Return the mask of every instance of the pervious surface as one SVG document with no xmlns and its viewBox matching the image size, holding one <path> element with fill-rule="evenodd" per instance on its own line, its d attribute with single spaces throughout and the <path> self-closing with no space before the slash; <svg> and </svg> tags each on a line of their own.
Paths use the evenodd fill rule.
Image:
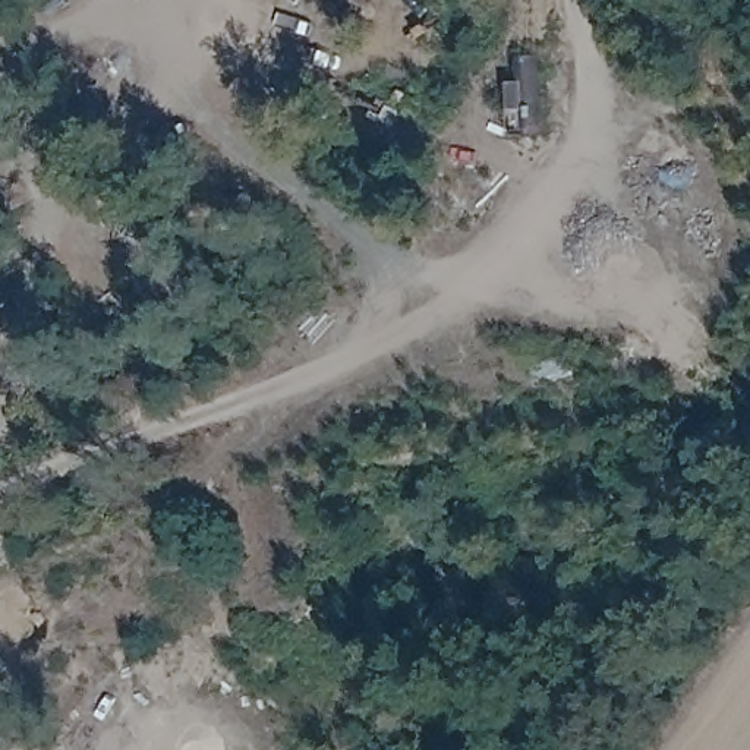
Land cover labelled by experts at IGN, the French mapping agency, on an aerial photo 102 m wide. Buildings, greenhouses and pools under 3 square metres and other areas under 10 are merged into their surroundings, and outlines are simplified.
<svg viewBox="0 0 750 750">
<path fill-rule="evenodd" d="M 126 724 L 120 729 L 105 729 L 97 738 L 103 750 L 252 750 L 255 738 L 249 727 L 220 724 L 217 709 L 202 709 L 202 703 L 185 700 L 182 706 L 167 712 L 152 709 L 141 718 L 135 729 Z"/>
<path fill-rule="evenodd" d="M 15 384 L 0 375 L 0 454 L 12 451 L 18 442 L 3 422 L 3 398 L 15 401 Z"/>
<path fill-rule="evenodd" d="M 352 6 L 372 21 L 372 29 L 363 32 L 363 44 L 354 53 L 340 56 L 340 50 L 334 47 L 331 23 L 343 23 Z M 56 56 L 64 64 L 59 82 L 64 82 L 73 73 L 82 73 L 76 67 L 73 44 L 82 47 L 88 38 L 111 38 L 120 44 L 132 44 L 138 50 L 141 67 L 155 62 L 155 76 L 146 88 L 123 82 L 120 94 L 108 94 L 108 114 L 103 114 L 100 123 L 105 129 L 117 129 L 120 123 L 135 126 L 152 105 L 158 105 L 170 114 L 190 117 L 196 129 L 208 144 L 220 149 L 223 158 L 231 167 L 246 170 L 252 179 L 267 182 L 270 190 L 287 193 L 290 202 L 296 202 L 311 217 L 311 223 L 319 229 L 319 240 L 328 249 L 343 249 L 346 243 L 352 246 L 352 267 L 357 270 L 357 278 L 366 284 L 366 293 L 360 299 L 360 313 L 352 325 L 352 337 L 346 346 L 275 378 L 261 378 L 246 387 L 220 393 L 211 401 L 193 401 L 176 410 L 176 416 L 170 419 L 149 419 L 138 404 L 135 410 L 120 416 L 120 431 L 103 437 L 97 434 L 73 454 L 53 451 L 50 457 L 29 463 L 26 472 L 0 472 L 0 495 L 32 489 L 41 495 L 41 486 L 50 478 L 67 475 L 79 466 L 79 460 L 94 463 L 103 451 L 111 454 L 111 448 L 117 448 L 120 454 L 149 454 L 152 442 L 193 431 L 202 425 L 226 422 L 231 416 L 246 416 L 255 407 L 270 407 L 305 396 L 311 390 L 322 390 L 334 381 L 349 378 L 352 372 L 378 357 L 398 354 L 404 346 L 416 340 L 439 337 L 439 331 L 445 331 L 454 322 L 478 322 L 536 319 L 554 328 L 592 331 L 627 325 L 624 346 L 615 352 L 612 366 L 624 366 L 636 357 L 659 357 L 671 366 L 674 387 L 680 393 L 694 393 L 700 393 L 706 381 L 715 381 L 721 375 L 721 366 L 715 366 L 706 354 L 709 337 L 703 319 L 686 308 L 686 299 L 680 293 L 683 275 L 668 275 L 656 249 L 650 249 L 647 243 L 636 249 L 633 237 L 624 234 L 630 229 L 630 220 L 609 208 L 609 202 L 621 190 L 618 146 L 633 132 L 630 126 L 612 123 L 618 82 L 595 44 L 589 18 L 583 15 L 563 26 L 560 35 L 574 47 L 577 88 L 574 117 L 571 126 L 565 126 L 565 144 L 554 167 L 533 185 L 530 196 L 521 205 L 516 205 L 513 211 L 501 208 L 498 220 L 486 231 L 480 231 L 463 252 L 448 258 L 428 258 L 416 255 L 410 246 L 401 249 L 375 240 L 366 217 L 346 214 L 331 199 L 319 199 L 296 176 L 296 170 L 290 170 L 284 161 L 270 161 L 270 152 L 261 152 L 255 144 L 249 144 L 249 126 L 234 111 L 234 97 L 249 100 L 252 105 L 267 105 L 270 100 L 287 103 L 299 91 L 299 76 L 311 56 L 319 67 L 334 73 L 363 70 L 372 59 L 410 59 L 413 64 L 428 64 L 434 62 L 437 50 L 442 50 L 442 38 L 431 26 L 422 26 L 428 18 L 422 15 L 425 0 L 50 0 L 44 12 L 35 12 L 38 29 L 26 29 L 15 44 L 0 50 L 0 73 L 6 73 L 18 85 L 18 94 L 26 94 L 38 82 L 41 64 Z"/>
<path fill-rule="evenodd" d="M 0 334 L 9 337 L 18 322 L 26 322 L 41 305 L 38 296 L 26 287 L 23 275 L 9 264 L 0 267 Z"/>
<path fill-rule="evenodd" d="M 35 662 L 35 650 L 47 636 L 47 627 L 41 627 L 38 615 L 29 615 L 29 598 L 21 589 L 18 577 L 0 577 L 0 680 L 21 686 L 41 671 L 41 665 Z"/>
</svg>

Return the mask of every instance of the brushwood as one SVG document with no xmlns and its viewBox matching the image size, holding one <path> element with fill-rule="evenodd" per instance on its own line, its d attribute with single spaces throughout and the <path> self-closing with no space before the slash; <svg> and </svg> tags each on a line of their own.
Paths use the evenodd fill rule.
<svg viewBox="0 0 750 750">
<path fill-rule="evenodd" d="M 366 284 L 357 278 L 357 270 L 352 267 L 352 246 L 346 243 L 343 249 L 328 249 L 319 240 L 316 246 L 322 255 L 322 267 L 316 270 L 316 281 L 328 281 L 337 296 L 360 299 L 366 293 Z"/>
<path fill-rule="evenodd" d="M 495 67 L 495 79 L 483 88 L 483 103 L 495 111 L 495 123 L 510 138 L 548 138 L 548 82 L 554 76 L 554 62 L 563 59 L 557 50 L 560 35 L 563 26 L 560 15 L 548 12 L 542 38 L 510 41 L 507 64 Z"/>
<path fill-rule="evenodd" d="M 340 50 L 340 56 L 354 53 L 363 44 L 363 32 L 372 29 L 372 21 L 352 6 L 343 23 L 331 23 L 334 47 Z"/>
<path fill-rule="evenodd" d="M 527 390 L 524 384 L 498 375 L 498 398 L 486 401 L 475 419 L 478 434 L 486 439 L 501 431 L 527 434 L 551 431 L 560 425 L 577 431 L 592 428 L 598 419 L 604 419 L 604 407 L 574 407 L 571 378 L 542 378 L 539 387 Z"/>
<path fill-rule="evenodd" d="M 413 64 L 410 59 L 372 59 L 363 70 L 334 73 L 319 67 L 311 56 L 299 76 L 299 91 L 331 91 L 337 105 L 343 108 L 343 120 L 352 126 L 352 105 L 366 108 L 366 117 L 372 120 L 387 120 L 393 114 L 401 103 L 401 94 L 416 79 L 428 79 L 428 64 Z"/>
<path fill-rule="evenodd" d="M 79 460 L 79 466 L 67 475 L 82 486 L 82 498 L 88 501 L 88 507 L 100 513 L 105 510 L 111 521 L 117 524 L 117 533 L 129 530 L 132 524 L 146 530 L 149 510 L 144 501 L 149 489 L 179 480 L 179 463 L 202 460 L 202 439 L 193 431 L 152 442 L 149 454 L 120 454 L 117 448 L 111 448 L 111 454 L 103 451 L 94 463 Z"/>
<path fill-rule="evenodd" d="M 683 439 L 703 437 L 709 428 L 735 428 L 738 416 L 750 416 L 750 378 L 741 378 L 738 372 L 729 375 L 732 407 L 724 410 L 700 393 L 694 393 L 694 407 L 688 410 L 686 425 L 677 431 L 677 437 Z"/>
</svg>

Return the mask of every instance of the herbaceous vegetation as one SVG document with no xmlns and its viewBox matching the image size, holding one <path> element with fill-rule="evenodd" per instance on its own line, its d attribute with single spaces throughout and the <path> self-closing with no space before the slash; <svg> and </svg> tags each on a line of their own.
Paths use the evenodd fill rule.
<svg viewBox="0 0 750 750">
<path fill-rule="evenodd" d="M 105 223 L 91 223 L 82 214 L 73 214 L 64 205 L 59 205 L 53 196 L 44 196 L 32 176 L 38 164 L 35 152 L 26 149 L 18 138 L 0 141 L 0 190 L 12 208 L 32 208 L 18 226 L 29 237 L 29 243 L 9 264 L 23 275 L 32 270 L 44 272 L 50 258 L 64 264 L 73 284 L 64 287 L 62 296 L 38 296 L 41 305 L 26 322 L 35 322 L 41 331 L 59 331 L 70 325 L 76 331 L 91 331 L 100 337 L 108 328 L 120 328 L 123 316 L 135 313 L 138 305 L 164 302 L 167 293 L 158 281 L 149 281 L 146 275 L 138 275 L 132 270 L 132 249 L 141 237 L 132 234 L 132 226 L 123 226 L 111 237 Z"/>
<path fill-rule="evenodd" d="M 633 132 L 618 146 L 621 190 L 609 202 L 609 208 L 630 220 L 630 229 L 624 234 L 633 237 L 636 249 L 647 243 L 650 249 L 656 249 L 668 275 L 683 275 L 680 293 L 686 299 L 686 308 L 703 319 L 709 337 L 732 334 L 729 328 L 718 325 L 718 319 L 721 313 L 738 305 L 738 287 L 747 281 L 750 270 L 750 190 L 744 182 L 721 188 L 718 173 L 712 167 L 712 155 L 703 146 L 703 141 L 686 141 L 683 123 L 674 123 L 677 111 L 694 105 L 732 105 L 735 94 L 729 79 L 721 73 L 721 62 L 727 62 L 735 50 L 732 44 L 703 44 L 700 88 L 694 94 L 677 97 L 674 103 L 630 94 L 618 82 L 612 123 L 630 126 Z"/>
<path fill-rule="evenodd" d="M 287 193 L 270 190 L 267 182 L 252 179 L 246 170 L 231 167 L 223 158 L 208 161 L 208 170 L 190 188 L 188 199 L 196 208 L 249 214 L 258 202 L 278 208 L 287 208 L 290 202 Z"/>
<path fill-rule="evenodd" d="M 88 38 L 82 47 L 73 44 L 76 67 L 82 73 L 73 73 L 64 82 L 59 82 L 56 91 L 64 97 L 67 111 L 76 117 L 76 123 L 100 123 L 103 114 L 108 114 L 108 94 L 120 94 L 123 82 L 146 88 L 155 76 L 155 62 L 141 67 L 138 50 L 132 44 L 120 44 L 111 38 Z"/>
<path fill-rule="evenodd" d="M 577 492 L 601 495 L 604 486 L 598 486 L 592 472 L 568 469 L 565 463 L 560 463 L 548 466 L 542 489 L 533 495 L 536 504 L 577 501 Z"/>
<path fill-rule="evenodd" d="M 683 478 L 680 466 L 668 466 L 662 472 L 650 472 L 647 483 L 642 486 L 647 498 L 674 489 L 674 483 Z"/>
<path fill-rule="evenodd" d="M 255 738 L 252 750 L 337 750 L 331 744 L 331 735 L 349 724 L 349 706 L 360 703 L 360 691 L 366 686 L 363 680 L 343 680 L 340 700 L 334 703 L 334 718 L 319 718 L 316 712 L 290 715 L 287 703 L 278 703 L 275 697 L 246 697 L 246 688 L 237 683 L 234 671 L 229 671 L 217 659 L 214 639 L 229 636 L 229 609 L 240 604 L 252 604 L 264 612 L 284 612 L 290 615 L 290 621 L 313 618 L 316 630 L 337 636 L 340 642 L 372 647 L 381 645 L 381 636 L 393 636 L 396 630 L 410 624 L 422 624 L 431 615 L 439 615 L 442 621 L 469 618 L 489 633 L 513 630 L 519 618 L 527 621 L 527 627 L 539 627 L 542 621 L 548 621 L 557 609 L 560 586 L 542 580 L 539 568 L 533 574 L 519 574 L 513 565 L 504 565 L 483 577 L 463 577 L 457 565 L 428 563 L 425 554 L 416 548 L 393 551 L 381 568 L 354 568 L 346 586 L 337 580 L 325 580 L 322 595 L 313 595 L 308 601 L 281 598 L 281 592 L 272 583 L 272 571 L 284 571 L 296 563 L 293 548 L 305 548 L 305 533 L 293 527 L 284 504 L 287 498 L 302 501 L 311 483 L 319 483 L 319 466 L 305 463 L 316 439 L 316 431 L 331 431 L 337 419 L 349 413 L 349 404 L 390 407 L 398 398 L 398 390 L 404 387 L 404 378 L 410 372 L 416 372 L 419 378 L 439 375 L 445 381 L 466 384 L 478 401 L 486 401 L 498 398 L 498 375 L 524 384 L 527 390 L 539 387 L 542 378 L 571 378 L 571 369 L 563 369 L 554 360 L 536 363 L 533 357 L 516 357 L 510 349 L 483 343 L 478 334 L 478 322 L 454 322 L 445 331 L 439 331 L 439 337 L 416 340 L 404 346 L 398 354 L 378 357 L 352 372 L 349 378 L 334 381 L 322 390 L 311 390 L 305 396 L 270 407 L 255 407 L 246 416 L 231 416 L 226 422 L 202 425 L 193 431 L 202 439 L 202 460 L 179 463 L 179 480 L 149 489 L 144 501 L 149 510 L 173 513 L 182 498 L 202 501 L 211 513 L 217 513 L 217 519 L 240 524 L 246 557 L 240 574 L 223 592 L 214 592 L 202 583 L 196 586 L 190 574 L 185 592 L 176 592 L 167 604 L 158 604 L 146 592 L 146 577 L 176 574 L 179 563 L 161 560 L 149 565 L 152 536 L 146 530 L 132 524 L 129 530 L 117 533 L 117 524 L 111 521 L 105 521 L 103 530 L 85 542 L 62 542 L 44 554 L 32 554 L 15 563 L 6 557 L 6 542 L 0 536 L 0 577 L 18 577 L 21 589 L 29 598 L 29 615 L 38 615 L 41 627 L 47 627 L 47 636 L 35 650 L 35 662 L 41 665 L 41 671 L 21 686 L 21 694 L 29 706 L 41 703 L 44 691 L 56 694 L 59 712 L 64 718 L 59 727 L 59 744 L 53 750 L 103 750 L 97 738 L 105 729 L 120 729 L 126 724 L 135 729 L 141 718 L 152 709 L 167 712 L 182 706 L 185 700 L 202 703 L 202 709 L 217 709 L 220 724 L 249 727 Z M 53 601 L 44 586 L 47 571 L 59 563 L 76 563 L 88 557 L 103 560 L 105 568 L 94 577 L 76 577 L 67 589 L 67 598 Z M 419 595 L 413 601 L 381 609 L 375 595 L 396 583 L 416 586 Z M 123 615 L 155 615 L 182 639 L 161 645 L 149 662 L 126 665 L 117 636 L 117 618 Z"/>
<path fill-rule="evenodd" d="M 469 750 L 463 744 L 463 735 L 448 732 L 442 715 L 437 715 L 422 724 L 419 750 Z"/>
<path fill-rule="evenodd" d="M 360 313 L 360 299 L 337 296 L 328 299 L 322 313 L 316 316 L 305 316 L 293 325 L 272 325 L 272 340 L 270 349 L 261 354 L 261 363 L 255 369 L 229 372 L 229 381 L 220 387 L 220 393 L 246 387 L 261 378 L 275 378 L 346 346 L 352 337 L 352 325 Z"/>
<path fill-rule="evenodd" d="M 483 103 L 483 88 L 495 79 L 495 67 L 507 64 L 510 41 L 542 38 L 548 12 L 560 15 L 563 26 L 583 15 L 577 0 L 516 0 L 510 23 L 498 38 L 498 47 L 486 53 L 486 70 L 475 70 L 475 76 L 469 76 L 469 94 L 463 97 L 463 105 L 434 138 L 428 138 L 428 132 L 422 132 L 413 120 L 393 114 L 387 120 L 372 120 L 366 117 L 366 108 L 352 105 L 352 126 L 357 135 L 352 146 L 354 161 L 363 167 L 387 149 L 398 149 L 407 158 L 419 158 L 428 146 L 437 158 L 434 179 L 422 188 L 431 196 L 428 226 L 422 226 L 410 246 L 416 255 L 428 258 L 448 258 L 463 252 L 480 231 L 486 231 L 498 220 L 501 208 L 513 211 L 516 205 L 521 205 L 530 196 L 533 185 L 554 167 L 565 144 L 565 126 L 571 126 L 574 117 L 577 88 L 574 47 L 560 35 L 557 50 L 563 59 L 554 62 L 554 76 L 548 82 L 548 138 L 510 138 L 495 123 L 495 111 Z"/>
<path fill-rule="evenodd" d="M 188 138 L 196 129 L 190 117 L 170 114 L 158 105 L 152 105 L 135 126 L 144 132 L 144 138 L 155 138 L 161 146 L 167 144 L 167 135 L 176 132 L 179 138 Z"/>
</svg>

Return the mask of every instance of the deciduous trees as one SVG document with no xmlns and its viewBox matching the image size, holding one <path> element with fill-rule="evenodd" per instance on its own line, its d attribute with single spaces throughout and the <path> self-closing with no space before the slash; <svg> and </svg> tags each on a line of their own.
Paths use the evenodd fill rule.
<svg viewBox="0 0 750 750">
<path fill-rule="evenodd" d="M 44 12 L 50 0 L 0 0 L 0 50 L 15 44 L 26 29 L 38 29 L 35 12 Z"/>
<path fill-rule="evenodd" d="M 401 94 L 401 103 L 393 114 L 413 120 L 422 132 L 428 132 L 428 138 L 434 138 L 463 105 L 463 97 L 469 94 L 469 76 L 475 76 L 475 70 L 486 70 L 486 53 L 498 47 L 498 38 L 510 23 L 516 0 L 425 0 L 422 15 L 428 18 L 422 26 L 431 26 L 442 38 L 442 50 L 437 50 L 434 62 L 428 64 L 428 79 L 416 79 Z"/>
<path fill-rule="evenodd" d="M 428 226 L 431 196 L 422 188 L 434 179 L 437 158 L 428 146 L 419 158 L 407 158 L 398 149 L 387 149 L 363 167 L 354 161 L 352 146 L 357 135 L 352 126 L 343 120 L 343 108 L 337 105 L 331 91 L 299 91 L 287 103 L 270 100 L 267 105 L 252 105 L 249 100 L 234 97 L 234 111 L 249 126 L 249 144 L 255 144 L 261 152 L 270 152 L 270 161 L 284 161 L 290 170 L 296 170 L 296 176 L 319 199 L 331 199 L 346 214 L 366 217 L 375 240 L 401 249 L 410 246 L 422 226 Z"/>
<path fill-rule="evenodd" d="M 700 88 L 703 44 L 732 44 L 735 50 L 727 62 L 721 62 L 721 73 L 729 79 L 735 94 L 732 105 L 694 105 L 677 111 L 674 123 L 683 123 L 686 141 L 703 141 L 703 146 L 712 155 L 712 167 L 718 173 L 721 188 L 744 182 L 750 190 L 750 0 L 577 0 L 583 15 L 589 18 L 595 44 L 618 82 L 630 94 L 674 103 L 677 97 L 694 94 Z"/>
<path fill-rule="evenodd" d="M 126 665 L 149 662 L 161 645 L 182 639 L 155 615 L 123 615 L 117 618 L 117 636 Z"/>
<path fill-rule="evenodd" d="M 0 190 L 0 267 L 9 264 L 29 243 L 29 237 L 18 226 L 32 208 L 12 208 Z"/>
<path fill-rule="evenodd" d="M 416 586 L 396 583 L 375 595 L 381 609 L 413 601 L 419 595 Z"/>
<path fill-rule="evenodd" d="M 404 378 L 404 387 L 398 390 L 398 398 L 390 407 L 349 404 L 349 413 L 337 419 L 331 431 L 316 431 L 316 439 L 305 463 L 319 466 L 319 483 L 311 483 L 302 501 L 287 498 L 284 504 L 293 527 L 305 533 L 305 548 L 293 548 L 296 563 L 284 571 L 272 571 L 272 583 L 281 592 L 281 598 L 308 601 L 313 595 L 322 595 L 325 580 L 337 580 L 346 586 L 354 568 L 381 568 L 393 551 L 416 548 L 425 554 L 428 563 L 457 565 L 463 577 L 483 577 L 504 565 L 513 565 L 519 574 L 533 574 L 539 568 L 542 580 L 560 586 L 557 609 L 548 621 L 542 621 L 539 627 L 527 627 L 527 621 L 519 618 L 513 630 L 489 633 L 469 618 L 442 621 L 439 615 L 431 615 L 422 624 L 410 624 L 396 630 L 393 636 L 381 636 L 381 645 L 372 647 L 340 642 L 337 636 L 316 630 L 313 618 L 290 621 L 290 615 L 284 612 L 264 612 L 252 604 L 240 604 L 229 609 L 229 636 L 214 639 L 217 659 L 229 671 L 234 671 L 237 683 L 246 688 L 246 697 L 275 697 L 278 703 L 287 703 L 290 715 L 316 712 L 319 718 L 334 718 L 334 703 L 340 700 L 343 680 L 363 680 L 366 686 L 360 691 L 360 703 L 349 706 L 349 724 L 331 735 L 331 744 L 337 750 L 419 750 L 422 724 L 437 715 L 442 715 L 448 732 L 463 735 L 463 744 L 469 750 L 659 750 L 662 727 L 677 712 L 674 697 L 683 686 L 694 683 L 700 668 L 721 656 L 721 636 L 727 633 L 727 627 L 741 624 L 741 609 L 750 604 L 750 416 L 738 416 L 735 428 L 709 428 L 703 437 L 683 439 L 677 437 L 677 431 L 686 425 L 688 410 L 694 407 L 694 393 L 680 393 L 674 387 L 671 366 L 659 357 L 636 357 L 624 366 L 612 366 L 615 352 L 624 346 L 627 325 L 592 331 L 554 328 L 536 319 L 478 322 L 478 334 L 483 343 L 510 349 L 516 357 L 533 357 L 536 363 L 554 360 L 563 369 L 571 369 L 571 378 L 574 407 L 604 407 L 604 419 L 598 419 L 592 428 L 577 431 L 560 425 L 551 431 L 527 434 L 501 431 L 486 439 L 478 434 L 475 419 L 486 401 L 478 401 L 466 384 L 445 381 L 439 375 L 419 378 L 416 372 L 410 372 Z M 568 469 L 592 472 L 598 486 L 604 486 L 601 495 L 577 492 L 577 501 L 536 504 L 533 495 L 542 489 L 548 466 L 560 463 L 565 463 Z M 650 472 L 662 472 L 668 466 L 680 466 L 683 478 L 674 483 L 674 489 L 647 498 L 642 486 L 647 483 Z"/>
<path fill-rule="evenodd" d="M 217 513 L 211 513 L 202 501 L 182 498 L 173 513 L 149 510 L 146 530 L 152 536 L 149 565 L 161 560 L 179 563 L 176 574 L 146 577 L 146 592 L 158 604 L 167 604 L 176 592 L 185 592 L 190 574 L 196 586 L 202 583 L 214 592 L 223 592 L 240 574 L 246 557 L 240 524 L 217 519 Z"/>
<path fill-rule="evenodd" d="M 76 563 L 59 563 L 47 571 L 44 586 L 53 601 L 67 598 L 67 589 L 76 577 L 94 577 L 105 568 L 103 560 L 88 557 Z"/>
<path fill-rule="evenodd" d="M 50 258 L 44 272 L 32 270 L 23 275 L 26 287 L 38 296 L 62 296 L 64 287 L 73 284 L 64 264 Z"/>
<path fill-rule="evenodd" d="M 3 422 L 18 442 L 12 451 L 0 454 L 0 472 L 26 472 L 29 463 L 50 457 L 53 451 L 73 454 L 97 434 L 103 437 L 120 431 L 120 416 L 135 410 L 138 404 L 149 419 L 170 419 L 176 416 L 176 410 L 193 401 L 211 401 L 220 393 L 220 387 L 229 381 L 229 372 L 255 369 L 261 363 L 261 354 L 270 349 L 272 340 L 272 325 L 293 325 L 305 316 L 316 316 L 322 313 L 328 299 L 337 296 L 328 281 L 316 281 L 316 270 L 322 267 L 322 255 L 316 246 L 319 240 L 319 229 L 311 223 L 311 217 L 296 202 L 290 202 L 287 208 L 278 208 L 258 202 L 249 214 L 196 208 L 188 199 L 190 188 L 208 170 L 208 161 L 223 158 L 220 149 L 208 144 L 196 129 L 188 138 L 179 138 L 176 132 L 167 135 L 167 144 L 161 146 L 155 138 L 144 138 L 144 132 L 135 126 L 120 123 L 117 129 L 105 129 L 100 123 L 76 123 L 76 117 L 67 111 L 64 97 L 56 91 L 59 82 L 64 64 L 56 56 L 41 64 L 38 82 L 26 94 L 18 94 L 18 85 L 6 73 L 0 73 L 0 141 L 18 138 L 26 149 L 35 152 L 38 164 L 32 176 L 44 196 L 53 196 L 59 205 L 64 205 L 73 214 L 82 214 L 91 223 L 105 223 L 111 237 L 123 226 L 132 226 L 132 234 L 141 237 L 132 249 L 132 270 L 138 275 L 146 275 L 149 281 L 158 281 L 167 293 L 164 302 L 138 305 L 135 313 L 123 316 L 120 328 L 108 328 L 100 337 L 91 331 L 76 331 L 70 325 L 59 331 L 41 331 L 35 322 L 26 322 L 18 322 L 9 337 L 0 334 L 0 375 L 15 384 L 15 401 L 3 398 Z"/>
<path fill-rule="evenodd" d="M 64 718 L 59 712 L 56 694 L 44 691 L 41 703 L 29 706 L 21 694 L 21 686 L 0 680 L 0 750 L 53 750 L 59 744 L 59 727 Z"/>
<path fill-rule="evenodd" d="M 750 378 L 750 270 L 747 281 L 738 287 L 738 305 L 721 313 L 718 319 L 718 325 L 729 328 L 732 334 L 709 337 L 706 354 L 715 366 L 721 366 L 721 375 L 715 381 L 706 381 L 700 393 L 724 410 L 732 407 L 729 375 L 738 372 L 741 378 Z"/>
<path fill-rule="evenodd" d="M 6 542 L 6 557 L 15 563 L 32 554 L 44 554 L 62 542 L 85 542 L 103 530 L 105 521 L 111 521 L 105 510 L 100 513 L 88 507 L 88 501 L 82 498 L 82 486 L 67 475 L 50 478 L 41 486 L 41 495 L 32 489 L 0 495 L 0 536 Z"/>
</svg>

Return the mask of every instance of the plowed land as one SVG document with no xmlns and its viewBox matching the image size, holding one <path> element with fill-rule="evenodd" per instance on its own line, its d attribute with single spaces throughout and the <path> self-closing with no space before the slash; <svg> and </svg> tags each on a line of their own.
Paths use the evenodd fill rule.
<svg viewBox="0 0 750 750">
<path fill-rule="evenodd" d="M 741 624 L 727 627 L 727 633 L 721 636 L 721 656 L 700 668 L 694 683 L 683 686 L 674 697 L 677 712 L 662 727 L 659 750 L 750 750 L 750 604 L 741 609 Z"/>
</svg>

